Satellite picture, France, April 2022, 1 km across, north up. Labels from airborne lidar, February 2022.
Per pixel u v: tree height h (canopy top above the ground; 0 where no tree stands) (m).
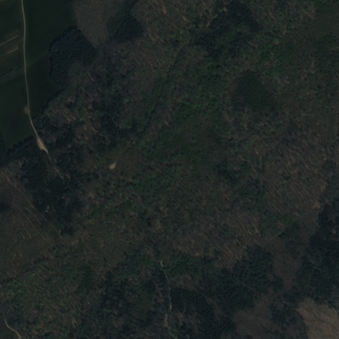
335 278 17
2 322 12
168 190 20
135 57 32
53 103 25
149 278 25
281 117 27
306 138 31
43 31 0
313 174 23
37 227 16
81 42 24
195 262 24
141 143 30
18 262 6
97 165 14
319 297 26
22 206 11
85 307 34
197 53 34
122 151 14
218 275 17
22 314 32
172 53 32
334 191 19
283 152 29
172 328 24
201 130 12
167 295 15
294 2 32
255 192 16
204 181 12
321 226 16
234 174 13
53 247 6
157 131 29
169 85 26
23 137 0
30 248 10
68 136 18
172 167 16
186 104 26
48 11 0
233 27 24
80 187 22
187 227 28
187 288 17
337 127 7
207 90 28
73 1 13
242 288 20
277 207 30
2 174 17
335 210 16
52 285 31
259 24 30
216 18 20
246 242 33
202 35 22
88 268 13
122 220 10
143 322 20
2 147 29
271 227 19
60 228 15
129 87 23
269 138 25
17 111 0
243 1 24
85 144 25
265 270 29
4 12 0
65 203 20
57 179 14
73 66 26
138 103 30
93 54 27
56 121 24
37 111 0
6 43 0
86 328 28
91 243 8
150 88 33
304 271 14
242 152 26
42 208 6
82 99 29
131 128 29
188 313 19
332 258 24
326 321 0
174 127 32
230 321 24
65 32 0
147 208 26
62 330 34
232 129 15
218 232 16
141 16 29
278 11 27
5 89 0
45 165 17
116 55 32
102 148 10
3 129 0
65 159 19
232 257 30
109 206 35
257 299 15
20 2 0
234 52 22
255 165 28
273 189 27
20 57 0
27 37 0
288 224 27
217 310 20
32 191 14
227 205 12
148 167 16
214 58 26
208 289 29
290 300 11
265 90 13
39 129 17
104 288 18
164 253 21
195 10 25
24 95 0
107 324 30
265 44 24
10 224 11
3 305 26
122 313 16
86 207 20
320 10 8
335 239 20
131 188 29
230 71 27
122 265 16
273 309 20
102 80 34
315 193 30
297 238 17
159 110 28
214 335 28
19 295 30
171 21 26
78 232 29
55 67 24
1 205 13
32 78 0
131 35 27
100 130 13
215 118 15
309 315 0
